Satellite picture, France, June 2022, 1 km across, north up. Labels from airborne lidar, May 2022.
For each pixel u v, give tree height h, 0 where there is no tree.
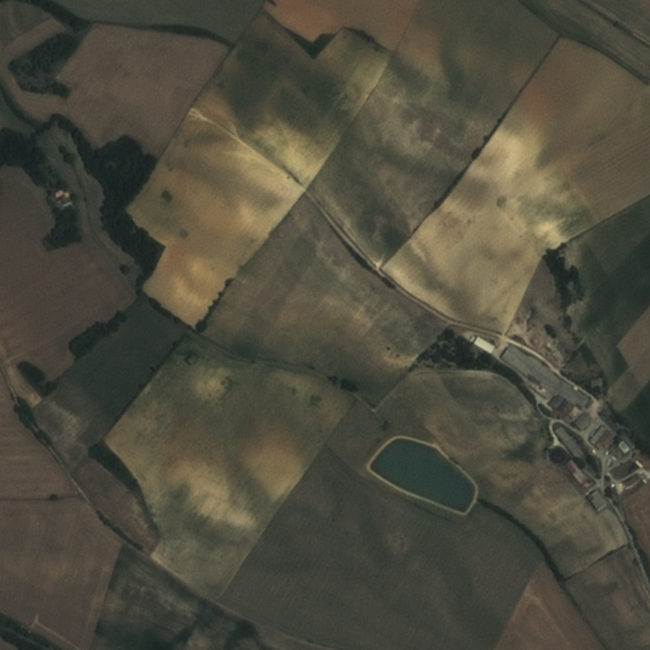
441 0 0
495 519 0
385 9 0
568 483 0
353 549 0
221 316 0
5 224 0
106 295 0
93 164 15
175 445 0
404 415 0
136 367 0
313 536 0
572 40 0
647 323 0
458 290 0
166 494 0
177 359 0
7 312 0
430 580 0
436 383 0
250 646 0
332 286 0
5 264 0
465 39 0
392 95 0
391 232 0
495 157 0
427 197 0
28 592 0
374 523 0
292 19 0
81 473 0
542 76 0
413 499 0
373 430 0
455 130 0
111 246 0
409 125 0
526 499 0
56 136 0
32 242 0
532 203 0
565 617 0
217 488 0
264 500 0
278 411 0
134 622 0
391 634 0
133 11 0
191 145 0
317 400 0
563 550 0
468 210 0
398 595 0
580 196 0
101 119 0
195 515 0
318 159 0
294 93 0
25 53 0
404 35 0
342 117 0
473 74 0
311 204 0
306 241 0
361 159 0
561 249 6
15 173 0
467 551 0
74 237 15
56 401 0
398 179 0
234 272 0
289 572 0
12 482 0
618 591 0
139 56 0
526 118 0
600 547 0
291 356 0
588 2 0
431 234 0
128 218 11
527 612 0
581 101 0
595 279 0
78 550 0
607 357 0
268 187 0
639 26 0
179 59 0
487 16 0
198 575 0
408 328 0
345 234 0
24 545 0
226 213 0
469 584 0
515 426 0
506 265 0
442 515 0
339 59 0
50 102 0
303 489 0
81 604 0
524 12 0
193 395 0
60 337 0
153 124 0
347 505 0
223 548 0
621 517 0
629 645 0
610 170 0
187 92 0
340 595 0
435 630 0
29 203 0
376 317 0
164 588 0
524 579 0
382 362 0
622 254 0
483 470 0
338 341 0
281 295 0
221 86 0
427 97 0
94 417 0
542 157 0
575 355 6
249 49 0
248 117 0
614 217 0
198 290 0
